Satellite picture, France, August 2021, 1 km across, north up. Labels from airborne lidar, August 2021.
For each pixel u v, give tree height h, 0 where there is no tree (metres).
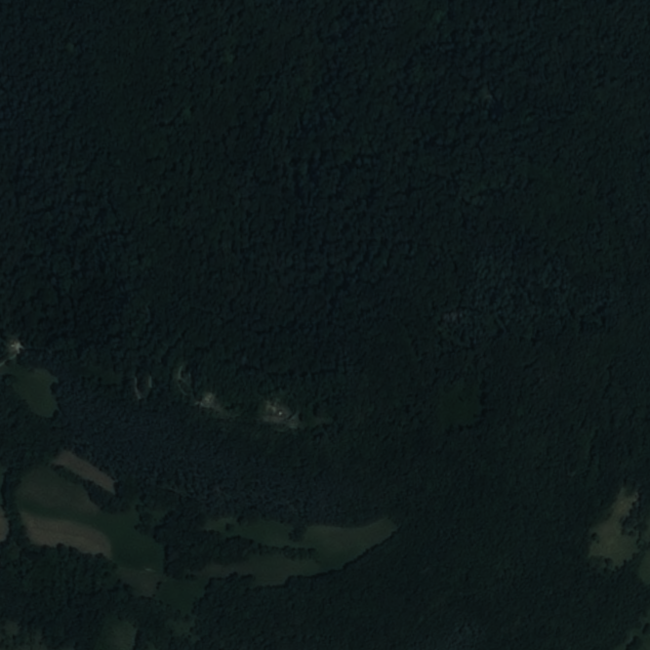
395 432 28
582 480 16
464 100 20
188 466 21
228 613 25
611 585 18
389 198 27
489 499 26
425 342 24
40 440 23
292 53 31
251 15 31
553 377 32
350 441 22
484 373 24
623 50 10
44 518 0
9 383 22
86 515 0
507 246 28
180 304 24
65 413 20
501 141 31
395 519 14
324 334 32
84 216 20
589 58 18
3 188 30
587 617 17
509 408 28
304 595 23
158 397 10
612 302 30
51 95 23
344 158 26
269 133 32
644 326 20
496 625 19
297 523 15
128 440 22
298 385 25
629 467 17
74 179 19
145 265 25
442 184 32
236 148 21
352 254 31
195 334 26
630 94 26
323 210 30
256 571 0
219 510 22
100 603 23
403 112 24
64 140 21
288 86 26
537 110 27
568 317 20
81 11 25
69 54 23
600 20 27
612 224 23
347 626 26
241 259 28
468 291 27
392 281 27
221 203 31
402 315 25
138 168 32
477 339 22
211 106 17
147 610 20
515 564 17
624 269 22
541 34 24
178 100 32
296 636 21
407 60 30
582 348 21
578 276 25
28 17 25
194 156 33
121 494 21
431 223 33
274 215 37
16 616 19
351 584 20
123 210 29
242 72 25
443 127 30
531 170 35
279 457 19
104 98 28
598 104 18
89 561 24
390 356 23
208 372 19
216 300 22
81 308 11
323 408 22
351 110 29
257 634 28
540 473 21
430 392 25
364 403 25
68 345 28
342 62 28
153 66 30
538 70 28
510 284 30
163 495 24
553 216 24
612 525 0
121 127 22
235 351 26
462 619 17
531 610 24
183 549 24
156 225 31
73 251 16
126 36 27
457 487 29
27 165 26
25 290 33
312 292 30
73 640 19
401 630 22
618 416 25
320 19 32
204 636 11
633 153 29
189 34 25
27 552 15
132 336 18
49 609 22
